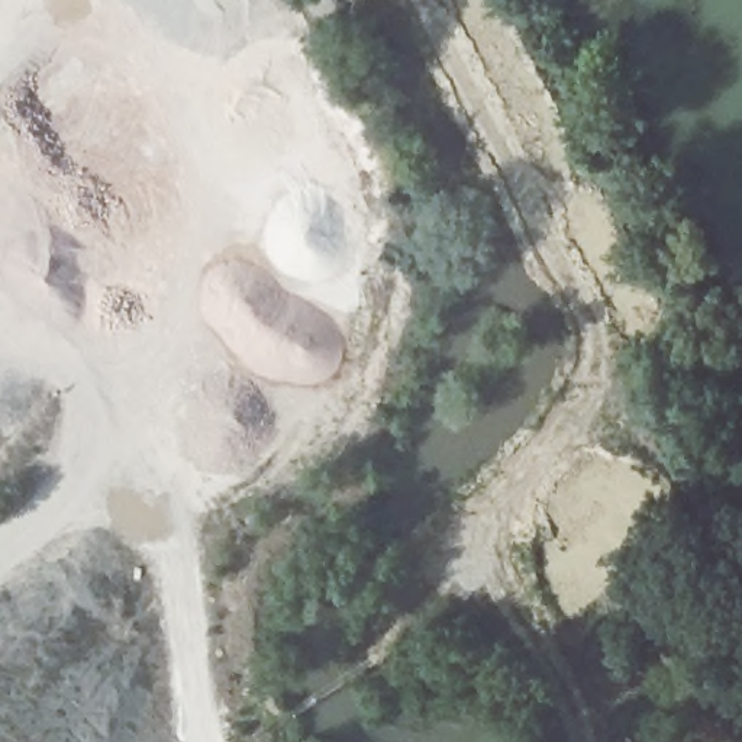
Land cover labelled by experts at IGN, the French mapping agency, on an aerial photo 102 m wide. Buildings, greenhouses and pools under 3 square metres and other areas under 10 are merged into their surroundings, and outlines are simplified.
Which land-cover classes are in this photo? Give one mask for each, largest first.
<instances>
[{"label":"pervious surface","instance_id":"1","mask_svg":"<svg viewBox=\"0 0 742 742\"><path fill-rule=\"evenodd\" d=\"M333 0H0V742H226V716L246 707V696L255 678L249 655L252 594L258 580L246 568L226 580L212 571L214 565H220L217 548L238 525L232 504L241 499L272 493L278 484L299 481L304 470L316 467L319 458L330 464V478L339 490L359 484L365 475L374 472V464L368 461L371 452L362 443V438L368 435V420L380 406L377 388L385 374L388 354L400 345L406 319L412 313V284L397 267H385L380 258L391 212L388 171L377 159V151L365 142L362 122L351 110L330 101L322 72L313 67L301 46L310 26L319 17L333 14ZM426 35L443 49L441 64L432 72L443 93V101L452 110L455 122L470 133V142H484V148H478V168L493 183V191L501 200V212L510 220L516 243L525 249L528 278L551 296L557 310L565 313L568 339L562 342L551 383L542 385L536 406L522 420V429L501 443L496 458L484 464L475 478L452 484L449 496L420 525H414L412 533L403 536V542L394 545V571L400 577V588L391 606L403 614H414L426 623H432V617L441 612L446 617H464L467 629L481 632L490 643H501L507 655H525L530 661H542L551 667L557 699L545 707L551 719L542 722L539 742H635L638 722L649 701L643 696V684L632 687L623 678H609L600 658V643L585 629L580 612L606 591L612 571L609 554H614L626 542V533L643 499L670 493V487L667 481L643 478L635 470V458L614 455L588 441V426L600 414L603 397L612 388V377L614 362L620 357H629L635 333H652L664 319V310L658 307V299L652 293L626 284L620 270L609 264V249L617 241V232L612 226L609 206L603 203L597 188L577 186L571 180V162L562 142L565 133L557 125V104L548 87L542 84L519 32L487 9V0H412ZM533 539L545 545L548 580L568 614L559 623L533 620L530 609L519 606L516 600H507L499 588V583L516 580L513 562L519 557L510 554V545Z\"/></svg>","mask_w":742,"mask_h":742},{"label":"deciduous trees","instance_id":"2","mask_svg":"<svg viewBox=\"0 0 742 742\"><path fill-rule=\"evenodd\" d=\"M487 9L519 32L542 84L548 87L557 104V125L565 133L562 142L571 162V180L577 186L597 188L603 203L609 206L612 226L617 232V241L609 249V264L620 270L626 284L652 293L658 299V307L664 310V319L652 333H635L629 357H620L614 362L612 377L620 380V388L635 414L643 420L646 432H655V458L670 470V478L675 481L670 487V493L643 499L626 533V542L614 554H609L612 571L606 591L580 612L585 629L600 643V658L609 678H623L632 687L643 684V696L649 701L638 722L635 742H742V281L736 287L713 290L704 278L716 272V264L704 255L701 243V229L713 223V212L707 209L704 191L687 168V162L670 154L661 142V119L655 113L646 119L638 116L632 96L635 81L617 72V38L609 32H597L591 41H585L574 29H565L559 12L539 0H487Z\"/></svg>","mask_w":742,"mask_h":742},{"label":"brushwood","instance_id":"3","mask_svg":"<svg viewBox=\"0 0 742 742\"><path fill-rule=\"evenodd\" d=\"M301 46L313 67L322 72L330 101L351 110L362 122L365 142L377 151V159L388 171L391 212L380 258L385 267H397L412 284V313L406 319L400 345L388 354L385 374L377 388L380 406L368 420V435L388 432L394 438L409 426V403L417 391L412 348H438L441 313L449 304H455L461 293H467L472 281L487 270L490 235L499 226V214L490 206L487 194L472 183L452 194L432 191L435 154L423 145L420 136H414L397 119V90L388 87V72H397L394 52L380 38H365L354 14L336 20L333 14L319 17L310 26ZM530 348L536 345L525 339V325L510 313L484 310L470 333L467 359L475 365H487L493 371L528 362ZM475 417V409L467 403L464 385L446 371L435 391V420L446 429H464ZM377 493L374 472L365 475L359 484L339 490L330 478V464L319 458L316 467L304 470L299 481L278 484L272 493L241 499L232 504L238 525L217 548L220 565H214L212 571L226 580L246 568L258 580L252 594L249 655L255 678L246 696V707L226 716V742H316L301 736L299 716L293 710H281L275 704L281 693L301 690V678L296 675L299 632H304L316 620L322 603L330 600L342 617V635L336 638L333 649V667L357 664L368 655V649L403 614L391 606L400 588V577L394 571V545L383 548L380 542L357 530L362 513H357L351 504ZM359 690L348 693L362 730L412 733L435 728L446 716H461L475 728L478 742H539L542 722L551 719L545 707L557 699L551 667L542 661H530L525 655H507L501 643H490L481 632L467 629L464 617H446L441 612L432 617V623H426L414 614L412 629H403L391 652L380 664H374L359 678H354Z\"/></svg>","mask_w":742,"mask_h":742},{"label":"water","instance_id":"4","mask_svg":"<svg viewBox=\"0 0 742 742\"><path fill-rule=\"evenodd\" d=\"M333 14L336 20L354 14L365 38H380L394 52L397 72H388V87L397 90V119L414 136H420L423 145L435 154L432 191L452 194L472 183L487 194L490 206L499 214V226L490 235L487 270L472 281L467 293H461L455 304H449L441 313L438 348H412L417 391L409 403V426L394 438L388 432L368 435L362 438V443L371 452L368 461L374 464V472L377 493L351 504L357 513H362L357 530L380 542L383 548L394 545L403 542V536L412 533L414 525H420L449 496L452 484L475 478L484 464L496 458L501 443L522 429V420L536 406L542 385L551 383L562 342L568 339L565 313L557 310L551 296L528 278L525 249L516 243L510 220L501 212V200L493 191V183L478 168V148H484V142H470V133L455 122L452 110L443 101V93L432 72L441 64L443 49L426 35L412 0H333ZM484 310L510 313L525 325V339L536 345L530 348L528 362L493 371L487 365H475L467 359L470 333ZM446 371L464 385L467 403L475 409V417L464 429H446L435 420V391ZM559 12L565 29H574L585 41H591L597 32H609L617 38V72L635 81L632 96L638 116L646 119L655 113L661 119V142L670 154L687 162V168L704 191L707 209L713 212V223L701 229V243L704 255L716 264V272L704 278L713 290L736 287L742 281V0H539ZM342 635V617L330 600L322 603L316 620L304 632H299L296 675L301 678V690L281 693L275 704L281 710H293L299 716L301 736L316 742H478L475 728L461 716H446L435 728L412 733L362 730L348 693L359 690L354 678H359L374 664L368 661V655L357 664L333 667V649L336 638Z\"/></svg>","mask_w":742,"mask_h":742},{"label":"herbaceous vegetation","instance_id":"5","mask_svg":"<svg viewBox=\"0 0 742 742\"><path fill-rule=\"evenodd\" d=\"M588 441L614 455L635 458V470L643 478L667 481L670 487L675 481L670 478V470L655 458V432H646L643 420L635 414L620 388V380L612 377V388L603 397L600 414L588 426ZM510 554L519 557L513 562L516 580L499 583V588L507 600H516L519 606L530 609L533 620L559 623L568 614L548 580L545 545L533 539L510 545Z\"/></svg>","mask_w":742,"mask_h":742},{"label":"building","instance_id":"6","mask_svg":"<svg viewBox=\"0 0 742 742\"><path fill-rule=\"evenodd\" d=\"M414 614H403L368 649V661L374 664H380L391 652L403 629H412Z\"/></svg>","mask_w":742,"mask_h":742}]
</instances>
